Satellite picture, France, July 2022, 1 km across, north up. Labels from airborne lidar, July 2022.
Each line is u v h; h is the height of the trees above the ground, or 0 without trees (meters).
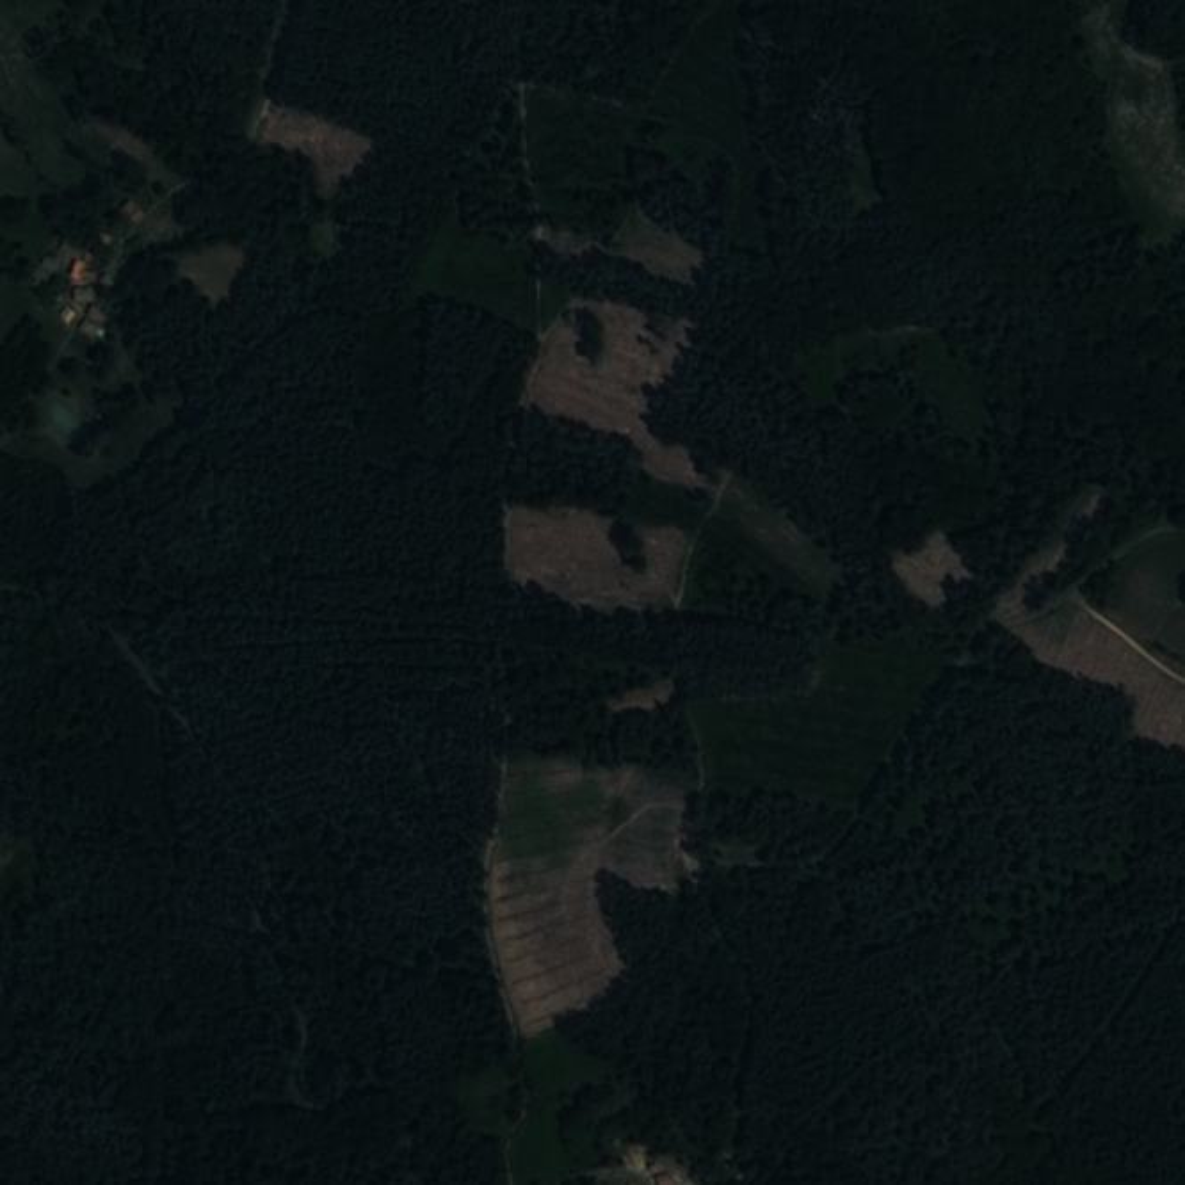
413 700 35
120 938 24
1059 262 17
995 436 12
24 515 12
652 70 25
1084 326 18
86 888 19
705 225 30
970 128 29
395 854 29
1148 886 16
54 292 10
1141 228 21
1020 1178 17
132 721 12
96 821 23
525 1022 0
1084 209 24
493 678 11
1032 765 21
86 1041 23
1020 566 22
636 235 0
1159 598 0
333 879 8
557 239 0
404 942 27
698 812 18
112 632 16
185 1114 24
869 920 20
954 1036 15
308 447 31
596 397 0
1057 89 27
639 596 0
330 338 30
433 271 0
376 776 27
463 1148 11
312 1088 7
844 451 28
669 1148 9
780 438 27
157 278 19
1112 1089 17
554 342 0
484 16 22
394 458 9
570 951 0
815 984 23
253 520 29
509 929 0
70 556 26
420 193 23
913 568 0
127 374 0
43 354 11
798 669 26
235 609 19
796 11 26
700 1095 19
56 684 23
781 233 26
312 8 26
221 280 0
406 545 29
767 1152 14
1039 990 28
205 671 27
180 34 21
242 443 36
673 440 26
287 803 24
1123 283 27
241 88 26
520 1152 0
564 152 7
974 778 9
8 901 8
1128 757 18
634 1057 19
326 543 32
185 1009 8
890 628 18
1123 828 20
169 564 8
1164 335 31
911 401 18
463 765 25
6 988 7
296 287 19
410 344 8
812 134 34
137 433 0
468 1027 14
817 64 31
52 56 8
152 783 8
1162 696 0
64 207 23
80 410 0
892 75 29
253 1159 26
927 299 25
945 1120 13
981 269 25
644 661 18
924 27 28
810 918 27
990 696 27
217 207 24
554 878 0
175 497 27
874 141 29
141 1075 31
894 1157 8
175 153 12
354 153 0
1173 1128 24
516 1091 13
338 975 9
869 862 6
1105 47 0
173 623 15
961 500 26
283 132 0
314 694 24
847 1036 24
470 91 23
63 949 17
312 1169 22
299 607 20
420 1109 9
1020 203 30
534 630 25
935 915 17
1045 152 30
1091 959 26
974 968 16
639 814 0
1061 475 22
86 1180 29
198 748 21
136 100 8
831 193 33
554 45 21
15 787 20
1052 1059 20
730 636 30
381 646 19
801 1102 25
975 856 16
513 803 0
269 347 27
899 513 23
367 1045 7
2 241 18
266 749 25
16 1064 22
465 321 22
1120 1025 25
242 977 9
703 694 28
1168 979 33
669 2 25
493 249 0
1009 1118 14
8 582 7
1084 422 27
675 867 0
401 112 23
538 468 29
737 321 28
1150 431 31
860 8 27
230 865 28
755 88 28
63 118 0
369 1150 23
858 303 26
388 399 7
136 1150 25
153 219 0
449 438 9
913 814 0
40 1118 24
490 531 15
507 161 20
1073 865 9
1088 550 22
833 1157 14
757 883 22
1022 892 14
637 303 26
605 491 23
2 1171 25
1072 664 0
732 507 0
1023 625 0
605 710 20
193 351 20
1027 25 32
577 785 0
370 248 16
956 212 24
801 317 24
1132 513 7
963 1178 17
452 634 17
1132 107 0
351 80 21
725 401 25
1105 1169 19
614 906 21
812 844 14
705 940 18
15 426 19
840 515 24
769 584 21
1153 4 31
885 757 0
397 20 28
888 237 28
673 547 0
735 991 17
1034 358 21
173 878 15
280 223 24
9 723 18
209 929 26
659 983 18
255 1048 19
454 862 26
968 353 9
